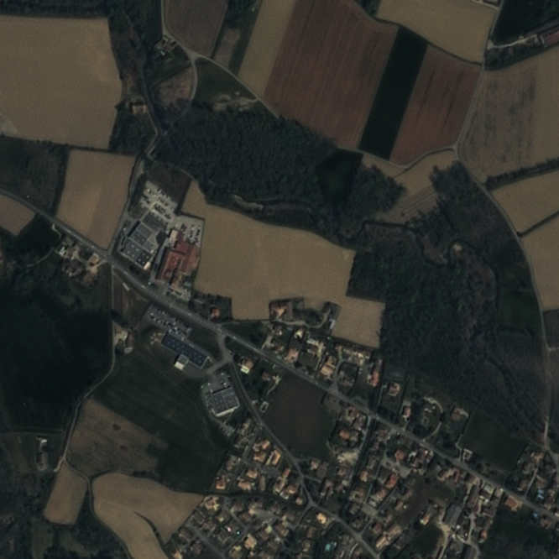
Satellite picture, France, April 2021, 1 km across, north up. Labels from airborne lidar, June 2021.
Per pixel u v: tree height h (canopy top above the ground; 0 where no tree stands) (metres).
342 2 0
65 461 0
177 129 38
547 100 0
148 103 6
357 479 9
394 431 0
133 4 29
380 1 0
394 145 0
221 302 9
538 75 0
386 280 12
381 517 7
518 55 10
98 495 0
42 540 0
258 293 0
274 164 26
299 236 0
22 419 0
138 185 12
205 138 39
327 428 0
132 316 0
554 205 0
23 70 0
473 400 17
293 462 0
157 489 0
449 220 35
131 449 0
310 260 0
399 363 14
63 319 0
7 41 0
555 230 0
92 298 0
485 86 0
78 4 21
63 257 7
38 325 0
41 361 0
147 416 0
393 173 0
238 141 28
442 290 14
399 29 0
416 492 0
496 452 0
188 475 0
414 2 0
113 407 0
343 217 31
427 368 10
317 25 0
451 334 10
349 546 0
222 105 0
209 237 0
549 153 0
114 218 0
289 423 0
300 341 13
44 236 0
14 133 0
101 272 0
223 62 0
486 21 0
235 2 19
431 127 0
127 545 0
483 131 0
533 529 0
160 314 0
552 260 0
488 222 9
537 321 0
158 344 0
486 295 17
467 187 30
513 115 0
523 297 0
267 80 0
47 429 0
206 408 0
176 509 0
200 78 0
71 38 0
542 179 0
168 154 20
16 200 0
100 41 0
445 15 0
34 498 19
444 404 0
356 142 0
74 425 0
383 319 9
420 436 18
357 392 0
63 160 6
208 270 0
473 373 25
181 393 0
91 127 0
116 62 0
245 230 0
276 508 0
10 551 24
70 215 0
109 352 0
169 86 0
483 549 16
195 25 0
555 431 17
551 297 0
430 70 0
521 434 21
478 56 0
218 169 18
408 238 8
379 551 0
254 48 0
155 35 8
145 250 0
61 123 0
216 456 0
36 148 0
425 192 0
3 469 15
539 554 11
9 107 0
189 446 0
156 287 8
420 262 8
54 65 0
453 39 0
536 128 0
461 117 0
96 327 0
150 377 0
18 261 11
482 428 0
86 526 15
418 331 10
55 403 0
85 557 0
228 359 0
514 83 0
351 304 0
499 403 27
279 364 0
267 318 0
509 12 0
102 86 0
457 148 0
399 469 6
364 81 0
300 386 0
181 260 0
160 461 0
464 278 11
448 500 0
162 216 0
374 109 0
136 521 0
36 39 0
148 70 12
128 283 0
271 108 0
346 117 0
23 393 0
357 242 17
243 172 30
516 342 30
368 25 0
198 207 0
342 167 0
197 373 0
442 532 0
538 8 0
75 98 0
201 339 0
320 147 20
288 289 0
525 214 0
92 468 0
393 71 0
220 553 0
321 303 0
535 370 32
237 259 0
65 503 0
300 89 0
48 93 0
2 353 0
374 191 23
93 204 0
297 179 33
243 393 0
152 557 0
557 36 0
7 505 25
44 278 6
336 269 0
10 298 0
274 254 0
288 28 0
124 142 12
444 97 0
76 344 0
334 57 0
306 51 0
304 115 0
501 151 0
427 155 0
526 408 7
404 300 20
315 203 16
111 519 0
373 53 0
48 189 0
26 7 19
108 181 0
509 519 15
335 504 0
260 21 0
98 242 0
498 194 0
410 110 0
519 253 14
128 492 0
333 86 0
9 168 0
